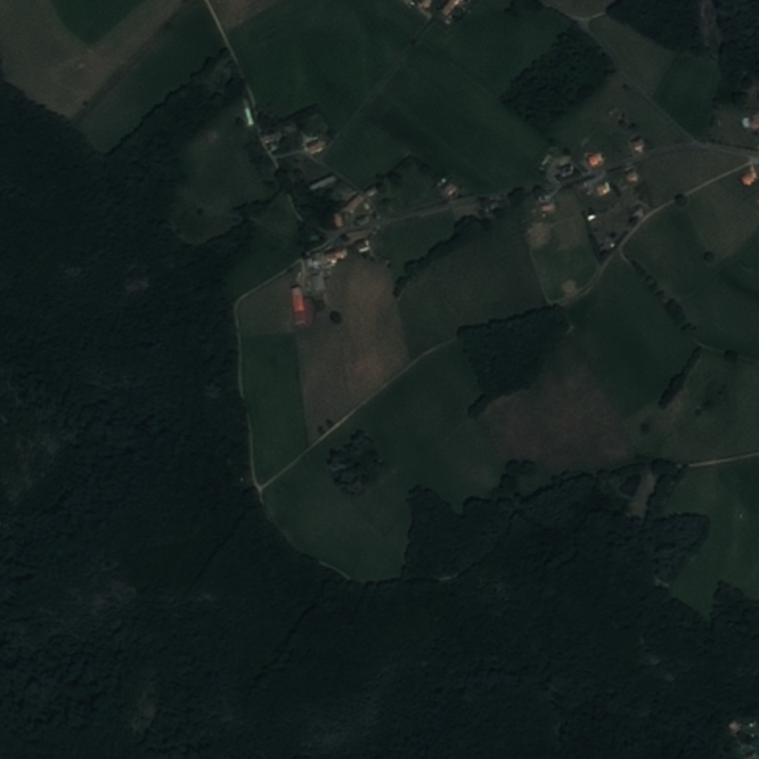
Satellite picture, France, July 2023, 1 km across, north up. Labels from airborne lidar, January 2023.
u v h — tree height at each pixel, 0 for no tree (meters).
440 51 0
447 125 0
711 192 0
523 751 21
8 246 21
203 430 22
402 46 0
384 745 25
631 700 25
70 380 21
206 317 19
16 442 15
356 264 0
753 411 0
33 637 28
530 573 22
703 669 19
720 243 0
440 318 0
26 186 21
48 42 0
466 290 0
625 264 0
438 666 24
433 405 0
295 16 0
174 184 13
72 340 23
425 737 18
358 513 0
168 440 21
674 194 0
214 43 0
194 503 22
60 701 11
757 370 0
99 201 14
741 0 26
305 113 8
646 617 22
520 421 0
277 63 0
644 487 0
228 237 17
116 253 17
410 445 0
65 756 26
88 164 19
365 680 19
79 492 25
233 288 0
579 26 9
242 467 9
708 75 0
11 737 21
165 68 0
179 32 0
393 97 0
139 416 21
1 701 9
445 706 23
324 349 0
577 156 0
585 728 16
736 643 22
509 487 24
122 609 12
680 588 0
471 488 0
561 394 0
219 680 16
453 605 7
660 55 0
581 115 0
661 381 0
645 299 0
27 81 0
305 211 16
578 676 21
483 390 14
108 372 6
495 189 0
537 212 0
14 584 24
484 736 19
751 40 22
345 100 0
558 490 24
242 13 0
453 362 0
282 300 0
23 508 14
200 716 17
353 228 0
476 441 0
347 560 0
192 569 9
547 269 0
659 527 18
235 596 16
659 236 0
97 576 13
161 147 17
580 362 0
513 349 22
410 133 0
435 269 0
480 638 24
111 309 11
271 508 0
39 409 17
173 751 26
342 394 0
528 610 21
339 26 0
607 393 0
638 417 0
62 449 14
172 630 23
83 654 16
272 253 0
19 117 17
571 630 22
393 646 16
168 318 25
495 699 20
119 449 22
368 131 0
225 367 15
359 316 0
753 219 0
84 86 0
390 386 0
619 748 23
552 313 19
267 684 20
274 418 0
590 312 0
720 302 0
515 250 0
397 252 0
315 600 11
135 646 29
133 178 18
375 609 21
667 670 16
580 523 10
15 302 23
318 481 0
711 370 0
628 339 0
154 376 8
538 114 14
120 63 0
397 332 0
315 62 0
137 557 10
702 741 22
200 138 0
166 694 19
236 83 14
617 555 23
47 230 20
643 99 0
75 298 16
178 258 8
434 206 0
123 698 18
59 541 19
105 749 21
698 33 18
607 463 0
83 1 0
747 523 0
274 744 22
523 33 0
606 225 0
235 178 0
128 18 0
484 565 18
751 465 0
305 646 23
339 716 12
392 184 13
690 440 0
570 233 0
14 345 15
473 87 0
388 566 0
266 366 0
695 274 0
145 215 17
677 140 0
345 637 23
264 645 20
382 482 0
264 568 20
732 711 10
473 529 21
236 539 22
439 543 17
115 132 0
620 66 0
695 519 15
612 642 21
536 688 24
